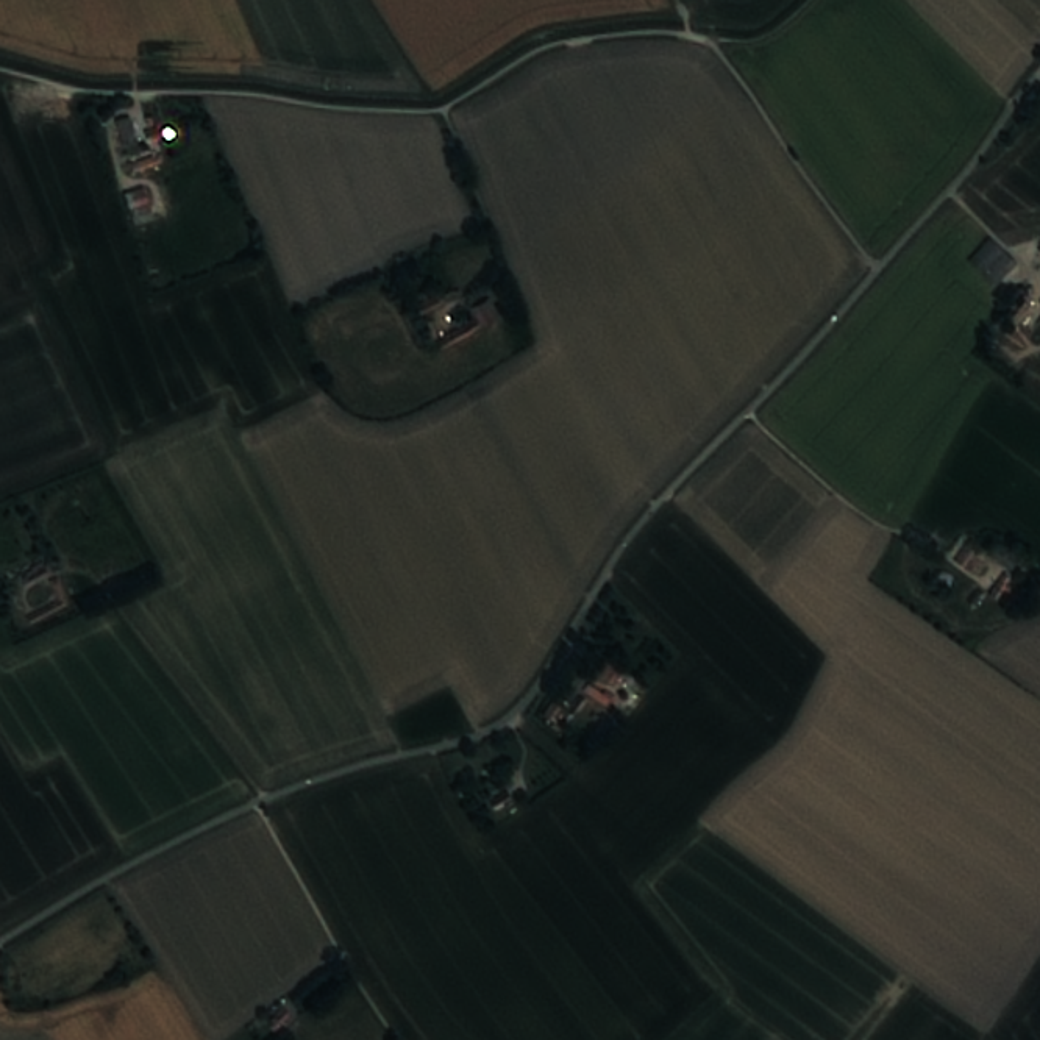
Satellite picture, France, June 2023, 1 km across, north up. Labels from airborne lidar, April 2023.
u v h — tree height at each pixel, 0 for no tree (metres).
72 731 0
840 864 0
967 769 0
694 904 0
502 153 0
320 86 0
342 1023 0
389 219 0
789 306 0
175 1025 0
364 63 0
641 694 0
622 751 0
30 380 0
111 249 0
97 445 0
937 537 0
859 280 0
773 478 0
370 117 0
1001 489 0
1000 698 0
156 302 0
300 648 0
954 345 0
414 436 0
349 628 0
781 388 0
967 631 0
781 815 0
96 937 0
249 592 0
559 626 0
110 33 0
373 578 0
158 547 0
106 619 0
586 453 0
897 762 0
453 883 0
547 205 0
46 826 0
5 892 0
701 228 0
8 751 0
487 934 0
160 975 0
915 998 0
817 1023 0
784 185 0
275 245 0
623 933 0
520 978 0
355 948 0
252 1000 0
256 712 0
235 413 0
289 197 0
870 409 0
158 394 0
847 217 0
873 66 0
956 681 0
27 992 0
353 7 0
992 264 0
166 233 0
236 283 0
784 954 0
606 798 0
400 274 21
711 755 0
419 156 0
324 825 0
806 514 0
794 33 0
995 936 0
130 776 0
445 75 0
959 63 0
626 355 0
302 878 0
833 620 0
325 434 0
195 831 0
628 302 0
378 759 0
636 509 0
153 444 0
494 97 0
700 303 0
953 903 0
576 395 0
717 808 0
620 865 0
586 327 0
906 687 0
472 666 0
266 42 0
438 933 0
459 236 0
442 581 0
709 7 0
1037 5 0
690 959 0
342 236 0
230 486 0
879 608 0
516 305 25
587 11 0
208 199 0
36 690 0
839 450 0
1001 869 0
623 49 0
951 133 0
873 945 0
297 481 0
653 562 0
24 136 0
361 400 0
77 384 0
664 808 0
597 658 24
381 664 0
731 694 0
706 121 0
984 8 0
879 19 0
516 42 0
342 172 0
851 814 0
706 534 0
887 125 0
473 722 0
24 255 0
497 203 0
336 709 0
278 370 0
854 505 0
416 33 0
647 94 0
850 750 0
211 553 0
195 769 0
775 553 0
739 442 0
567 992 0
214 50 0
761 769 0
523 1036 0
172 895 0
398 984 0
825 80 0
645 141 0
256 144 0
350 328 0
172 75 0
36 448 0
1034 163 0
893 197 0
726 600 0
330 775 0
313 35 0
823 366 0
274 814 0
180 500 0
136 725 0
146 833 0
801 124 0
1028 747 0
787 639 0
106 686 0
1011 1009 0
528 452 0
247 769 0
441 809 0
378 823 0
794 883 0
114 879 0
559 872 0
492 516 0
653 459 0
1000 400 0
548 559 0
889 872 0
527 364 0
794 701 0
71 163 0
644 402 0
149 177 0
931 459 0
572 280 0
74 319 0
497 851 0
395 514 0
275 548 0
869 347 0
